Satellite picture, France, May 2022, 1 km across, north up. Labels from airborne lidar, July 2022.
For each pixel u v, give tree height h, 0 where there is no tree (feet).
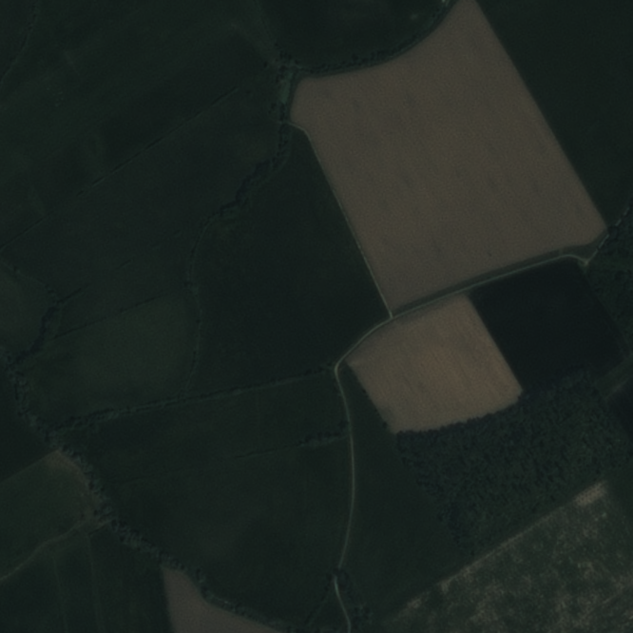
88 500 0
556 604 0
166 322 0
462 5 0
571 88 0
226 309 0
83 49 0
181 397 24
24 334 0
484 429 78
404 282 0
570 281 0
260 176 48
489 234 0
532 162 0
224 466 0
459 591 0
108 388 0
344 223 0
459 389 0
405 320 0
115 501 0
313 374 41
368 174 0
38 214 0
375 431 0
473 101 0
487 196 0
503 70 0
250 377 0
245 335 0
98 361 0
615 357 0
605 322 0
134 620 0
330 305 0
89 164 0
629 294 32
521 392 0
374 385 0
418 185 0
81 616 0
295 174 0
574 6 0
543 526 0
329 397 0
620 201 0
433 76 0
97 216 0
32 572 0
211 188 0
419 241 0
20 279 0
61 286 0
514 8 0
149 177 0
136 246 0
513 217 0
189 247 0
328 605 0
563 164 0
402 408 0
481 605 0
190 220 0
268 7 0
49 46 0
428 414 0
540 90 0
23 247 0
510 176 0
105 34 0
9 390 0
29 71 0
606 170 0
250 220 0
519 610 0
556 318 0
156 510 0
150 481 0
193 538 0
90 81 0
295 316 0
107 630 0
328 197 0
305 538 0
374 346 0
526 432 85
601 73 0
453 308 0
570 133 0
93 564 0
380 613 0
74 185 0
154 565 0
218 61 0
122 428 0
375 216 0
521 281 0
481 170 0
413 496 0
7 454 0
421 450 94
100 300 0
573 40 0
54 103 0
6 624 0
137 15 0
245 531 0
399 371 0
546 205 0
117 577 0
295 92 0
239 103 0
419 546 0
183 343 0
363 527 0
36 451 0
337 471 0
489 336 0
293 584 0
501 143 0
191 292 35
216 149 0
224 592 0
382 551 0
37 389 0
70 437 0
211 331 0
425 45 0
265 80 0
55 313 53
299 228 0
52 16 0
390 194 0
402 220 0
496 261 0
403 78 0
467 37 0
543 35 0
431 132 0
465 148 0
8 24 0
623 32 0
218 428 0
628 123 0
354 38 0
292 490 0
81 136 0
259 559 0
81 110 0
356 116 0
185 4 0
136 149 0
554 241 0
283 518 0
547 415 106
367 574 0
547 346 0
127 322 0
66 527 0
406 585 0
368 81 0
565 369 0
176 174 0
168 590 0
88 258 0
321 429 0
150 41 0
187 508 0
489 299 0
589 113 0
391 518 0
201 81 0
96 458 0
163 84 0
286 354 0
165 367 0
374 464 0
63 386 0
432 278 0
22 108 0
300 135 0
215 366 0
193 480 0
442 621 0
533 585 0
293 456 0
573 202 0
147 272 0
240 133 0
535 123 0
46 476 0
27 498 0
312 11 0
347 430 63
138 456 0
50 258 0
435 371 0
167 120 0
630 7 0
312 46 0
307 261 0
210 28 0
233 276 0
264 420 0
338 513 0
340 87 0
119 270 0
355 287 0
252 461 0
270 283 0
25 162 0
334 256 0
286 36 0
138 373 0
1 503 0
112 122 0
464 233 0
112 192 0
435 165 0
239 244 0
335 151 0
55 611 0
